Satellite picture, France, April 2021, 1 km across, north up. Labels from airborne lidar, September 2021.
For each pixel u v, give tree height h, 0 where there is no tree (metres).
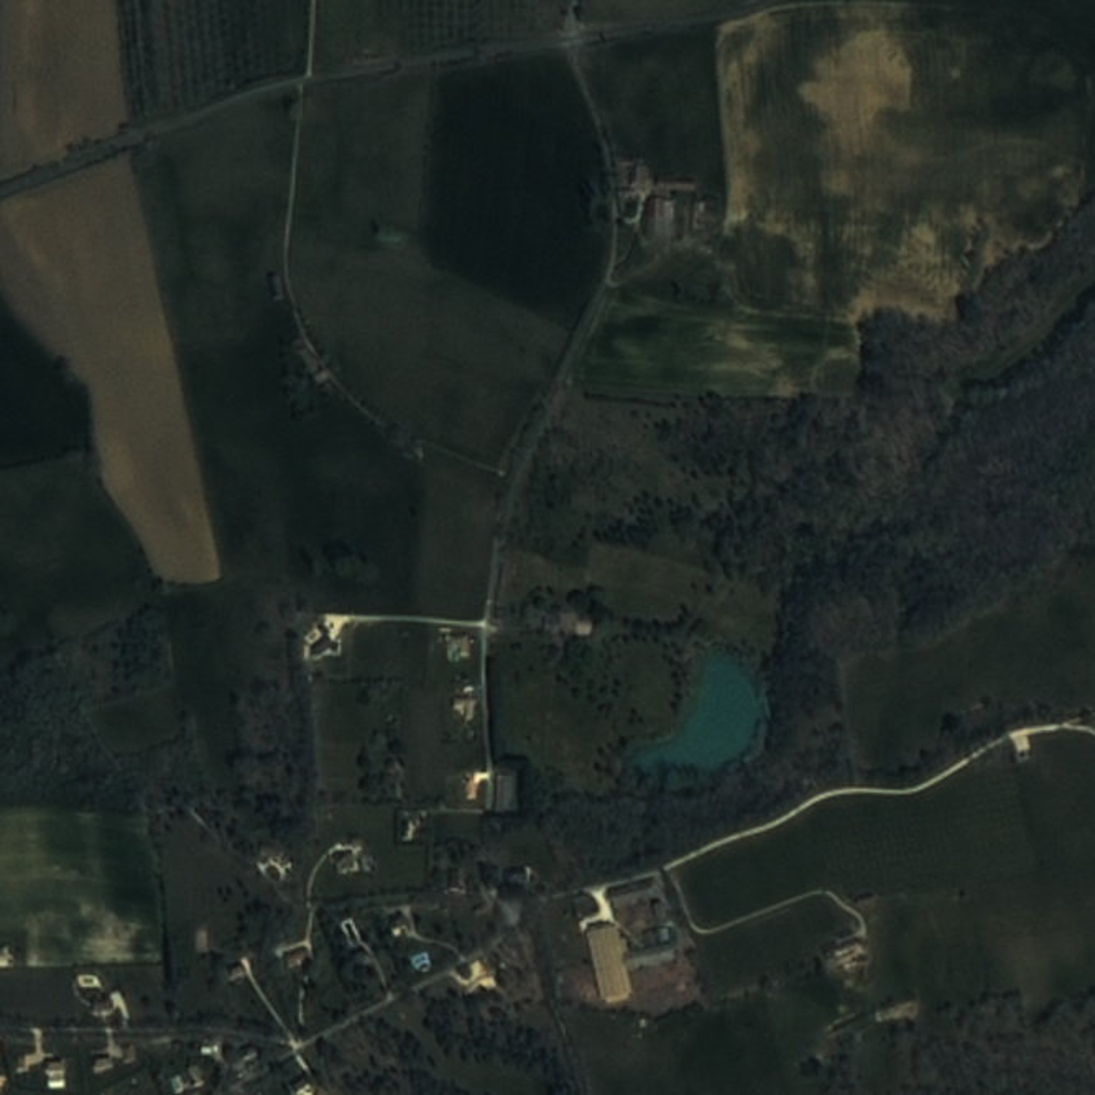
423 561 0
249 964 9
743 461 13
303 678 14
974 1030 18
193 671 0
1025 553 12
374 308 0
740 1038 0
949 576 21
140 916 0
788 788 9
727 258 0
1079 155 0
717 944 0
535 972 9
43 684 17
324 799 13
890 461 20
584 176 0
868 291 0
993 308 20
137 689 6
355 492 0
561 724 0
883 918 0
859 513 24
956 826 0
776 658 9
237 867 7
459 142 0
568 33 0
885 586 25
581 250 0
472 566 0
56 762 12
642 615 0
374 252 0
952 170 0
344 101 0
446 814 0
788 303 0
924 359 21
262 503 0
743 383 0
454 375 0
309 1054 0
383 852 0
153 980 0
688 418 7
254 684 0
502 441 0
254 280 0
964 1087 23
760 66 0
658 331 0
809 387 0
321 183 0
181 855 0
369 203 0
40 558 0
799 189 0
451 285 0
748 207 0
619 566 0
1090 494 18
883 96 0
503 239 0
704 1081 0
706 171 0
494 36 6
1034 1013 0
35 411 0
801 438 16
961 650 0
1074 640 0
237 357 0
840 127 0
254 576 0
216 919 0
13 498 0
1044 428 20
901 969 0
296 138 0
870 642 17
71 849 0
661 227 0
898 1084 0
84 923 0
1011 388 19
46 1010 0
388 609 0
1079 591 0
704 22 0
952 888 0
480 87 0
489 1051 12
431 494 0
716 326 0
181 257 0
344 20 0
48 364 0
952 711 0
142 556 7
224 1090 13
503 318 0
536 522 13
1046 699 0
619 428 0
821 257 0
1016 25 0
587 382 0
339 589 0
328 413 0
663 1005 0
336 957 12
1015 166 0
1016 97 0
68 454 12
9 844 0
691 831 16
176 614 0
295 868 9
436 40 10
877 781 11
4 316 0
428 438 0
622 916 0
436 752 0
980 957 0
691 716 0
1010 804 0
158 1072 11
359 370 0
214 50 12
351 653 0
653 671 0
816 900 0
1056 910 0
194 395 0
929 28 0
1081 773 0
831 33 0
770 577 15
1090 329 25
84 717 7
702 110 0
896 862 0
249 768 21
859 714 0
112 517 0
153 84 15
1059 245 15
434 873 6
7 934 0
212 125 0
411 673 0
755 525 10
